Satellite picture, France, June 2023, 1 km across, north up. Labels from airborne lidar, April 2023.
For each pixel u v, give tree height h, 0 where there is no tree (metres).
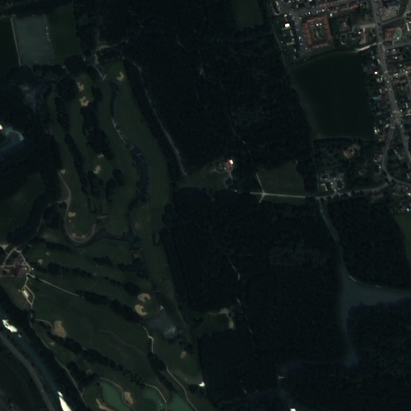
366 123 0
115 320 0
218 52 29
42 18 0
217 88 31
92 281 0
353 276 28
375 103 9
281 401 27
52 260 0
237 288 7
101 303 15
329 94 0
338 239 0
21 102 22
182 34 31
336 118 0
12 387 0
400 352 12
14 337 0
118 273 0
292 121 29
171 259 24
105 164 0
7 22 0
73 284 0
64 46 0
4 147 0
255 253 28
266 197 0
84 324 0
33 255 0
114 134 0
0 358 0
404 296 0
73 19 0
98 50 0
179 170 21
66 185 0
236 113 27
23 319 19
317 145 17
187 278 27
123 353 0
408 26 0
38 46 0
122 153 0
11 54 0
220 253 19
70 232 0
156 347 0
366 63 10
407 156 0
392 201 15
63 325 0
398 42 0
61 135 0
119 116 0
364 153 12
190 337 0
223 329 0
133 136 0
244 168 29
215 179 0
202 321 7
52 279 0
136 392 0
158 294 8
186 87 32
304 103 0
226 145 22
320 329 30
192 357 0
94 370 0
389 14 0
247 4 0
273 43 24
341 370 26
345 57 0
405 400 32
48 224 13
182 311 16
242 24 0
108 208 0
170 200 0
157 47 34
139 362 0
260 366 30
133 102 0
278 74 25
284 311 29
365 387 26
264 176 0
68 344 12
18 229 0
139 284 0
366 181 16
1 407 0
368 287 0
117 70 0
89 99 0
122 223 0
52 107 0
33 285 0
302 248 22
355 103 0
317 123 0
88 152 0
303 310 31
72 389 19
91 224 0
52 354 12
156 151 0
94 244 0
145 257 0
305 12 0
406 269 34
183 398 0
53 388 0
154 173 0
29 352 0
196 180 0
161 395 0
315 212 29
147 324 0
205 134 31
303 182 0
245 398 0
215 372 26
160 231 0
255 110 28
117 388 0
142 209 0
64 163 0
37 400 0
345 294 0
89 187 0
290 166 0
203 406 0
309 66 0
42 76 12
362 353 22
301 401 22
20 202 0
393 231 30
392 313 30
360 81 0
